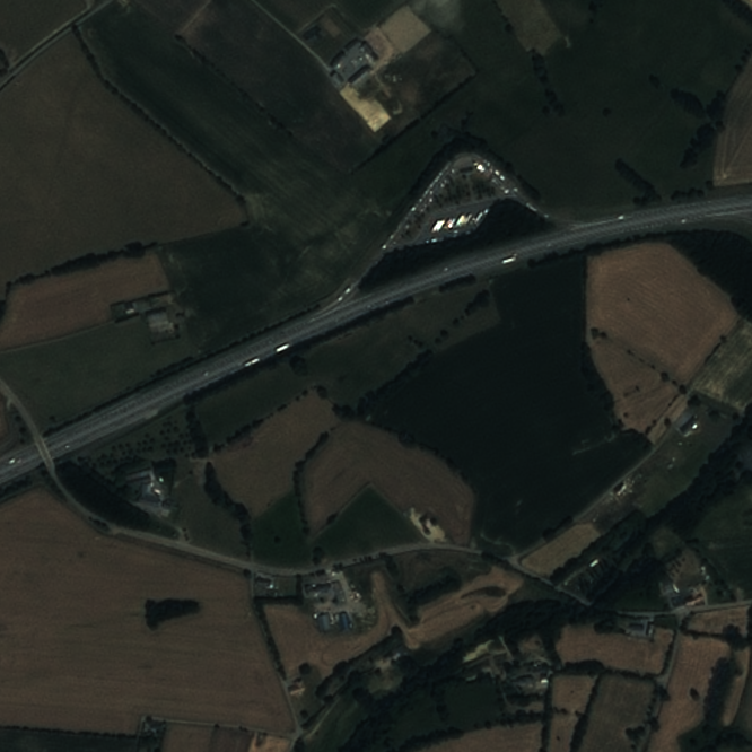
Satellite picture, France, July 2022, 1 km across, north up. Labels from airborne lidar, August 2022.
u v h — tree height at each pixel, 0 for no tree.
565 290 0
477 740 0
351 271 0
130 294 0
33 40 0
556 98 22
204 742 0
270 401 0
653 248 0
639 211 0
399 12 0
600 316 0
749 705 0
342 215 0
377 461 0
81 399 0
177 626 0
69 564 0
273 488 0
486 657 0
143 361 0
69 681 0
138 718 0
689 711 0
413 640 0
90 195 0
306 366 16
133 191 0
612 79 0
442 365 0
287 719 0
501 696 6
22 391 0
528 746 0
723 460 21
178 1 0
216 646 0
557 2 0
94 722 0
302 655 0
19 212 0
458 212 0
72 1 0
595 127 0
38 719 0
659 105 0
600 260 0
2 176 0
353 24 0
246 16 0
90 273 0
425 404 0
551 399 0
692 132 0
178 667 0
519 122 0
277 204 0
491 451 0
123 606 0
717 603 0
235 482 0
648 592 6
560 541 0
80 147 0
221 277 0
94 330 0
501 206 11
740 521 0
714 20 0
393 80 0
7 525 0
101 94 0
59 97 0
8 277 0
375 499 0
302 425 0
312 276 0
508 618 12
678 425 0
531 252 0
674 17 0
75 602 0
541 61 13
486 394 0
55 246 0
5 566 0
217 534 0
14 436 0
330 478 0
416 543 0
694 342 0
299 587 8
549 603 11
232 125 0
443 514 0
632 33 0
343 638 0
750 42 0
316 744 0
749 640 7
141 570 0
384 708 22
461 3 0
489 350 0
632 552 17
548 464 0
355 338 0
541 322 0
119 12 0
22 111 0
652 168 0
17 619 0
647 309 0
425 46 0
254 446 0
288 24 0
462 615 0
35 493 0
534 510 0
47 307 0
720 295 0
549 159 0
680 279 0
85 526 0
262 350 0
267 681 0
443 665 20
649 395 0
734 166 0
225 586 0
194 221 0
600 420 0
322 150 0
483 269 0
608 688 0
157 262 0
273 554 0
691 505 21
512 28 13
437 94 0
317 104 0
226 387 12
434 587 9
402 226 0
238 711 0
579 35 0
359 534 0
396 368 0
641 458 0
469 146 9
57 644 0
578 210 0
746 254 15
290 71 0
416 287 0
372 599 0
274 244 0
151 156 0
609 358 0
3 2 0
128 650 0
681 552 8
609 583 18
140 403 0
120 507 15
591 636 0
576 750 13
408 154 0
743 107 0
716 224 0
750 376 0
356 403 0
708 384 0
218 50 0
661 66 0
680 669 0
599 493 0
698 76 0
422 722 0
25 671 0
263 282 0
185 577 0
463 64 0
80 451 0
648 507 0
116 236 0
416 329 0
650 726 14
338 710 0
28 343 0
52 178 0
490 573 0
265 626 9
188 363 8
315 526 0
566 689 0
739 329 0
